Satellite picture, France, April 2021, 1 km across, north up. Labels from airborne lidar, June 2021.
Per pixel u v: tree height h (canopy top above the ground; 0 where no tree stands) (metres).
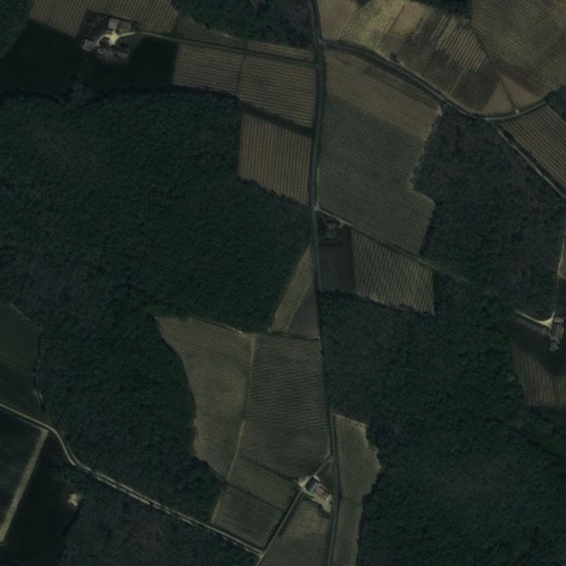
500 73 0
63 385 21
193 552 18
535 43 0
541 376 0
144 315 24
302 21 14
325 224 8
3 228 23
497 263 23
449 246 22
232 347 0
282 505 0
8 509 0
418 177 18
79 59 0
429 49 0
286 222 17
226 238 18
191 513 19
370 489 0
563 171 0
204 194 19
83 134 16
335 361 15
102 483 13
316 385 0
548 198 19
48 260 16
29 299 19
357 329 18
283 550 0
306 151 0
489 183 20
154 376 23
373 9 0
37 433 0
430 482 18
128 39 0
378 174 0
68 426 20
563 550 23
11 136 22
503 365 22
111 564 14
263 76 0
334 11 0
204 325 0
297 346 0
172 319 0
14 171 29
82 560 16
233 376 0
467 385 22
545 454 18
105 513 15
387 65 0
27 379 0
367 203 0
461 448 18
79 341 21
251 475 0
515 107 0
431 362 20
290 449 0
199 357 0
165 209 16
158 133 20
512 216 24
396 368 20
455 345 27
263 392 0
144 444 21
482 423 27
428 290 0
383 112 0
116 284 26
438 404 25
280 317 0
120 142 19
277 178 0
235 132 17
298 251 18
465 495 16
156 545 15
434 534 24
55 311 19
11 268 17
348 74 0
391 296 0
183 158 17
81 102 17
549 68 0
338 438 0
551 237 18
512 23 0
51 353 19
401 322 18
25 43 0
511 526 26
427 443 21
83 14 0
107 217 21
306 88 0
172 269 25
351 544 0
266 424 0
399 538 23
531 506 21
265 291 19
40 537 0
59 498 0
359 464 0
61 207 20
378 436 17
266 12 21
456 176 19
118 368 24
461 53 0
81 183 21
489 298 22
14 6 19
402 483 21
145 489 22
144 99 26
